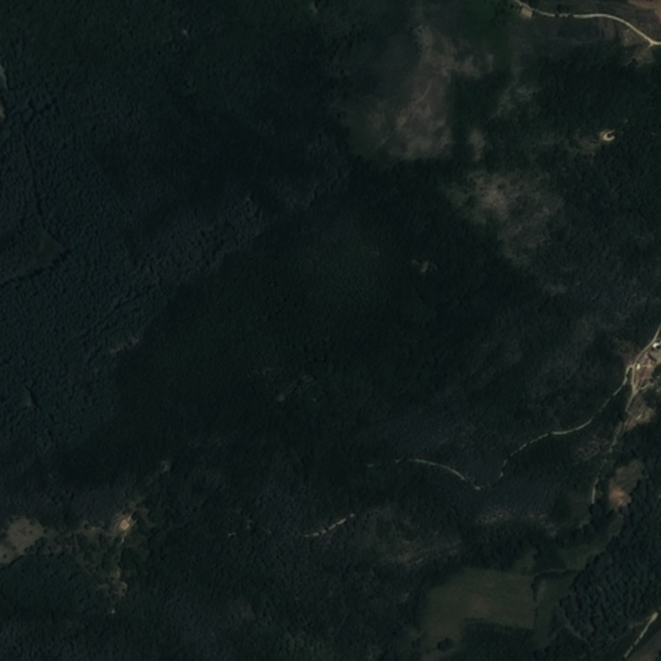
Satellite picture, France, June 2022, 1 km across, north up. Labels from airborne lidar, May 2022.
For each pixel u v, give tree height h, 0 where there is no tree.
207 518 20
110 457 16
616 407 8
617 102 14
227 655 13
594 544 0
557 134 7
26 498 17
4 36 16
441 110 0
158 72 21
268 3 22
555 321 7
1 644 16
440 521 21
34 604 16
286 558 16
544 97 9
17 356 27
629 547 13
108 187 30
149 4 15
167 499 9
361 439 17
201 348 13
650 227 10
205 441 18
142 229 17
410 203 16
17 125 15
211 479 15
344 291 14
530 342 11
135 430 15
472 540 9
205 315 19
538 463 13
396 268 14
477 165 6
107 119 20
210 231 7
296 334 23
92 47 22
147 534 9
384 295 17
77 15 26
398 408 10
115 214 28
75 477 21
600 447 6
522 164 9
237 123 22
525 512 11
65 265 27
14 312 26
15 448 18
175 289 20
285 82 16
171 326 18
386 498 13
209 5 20
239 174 20
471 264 14
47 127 28
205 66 16
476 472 12
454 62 0
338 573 16
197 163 20
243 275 19
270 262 20
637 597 10
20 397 28
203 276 17
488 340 9
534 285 11
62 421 30
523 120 10
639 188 15
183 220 23
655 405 8
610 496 0
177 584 23
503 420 10
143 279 19
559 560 12
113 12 23
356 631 11
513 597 0
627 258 11
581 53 7
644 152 14
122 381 18
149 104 20
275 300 21
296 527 13
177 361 11
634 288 11
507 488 13
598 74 15
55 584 20
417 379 8
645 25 0
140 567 16
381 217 21
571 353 7
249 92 14
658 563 9
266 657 13
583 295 12
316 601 11
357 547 7
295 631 12
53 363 29
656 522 11
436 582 10
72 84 20
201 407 14
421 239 20
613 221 13
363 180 16
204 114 20
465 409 14
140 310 28
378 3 0
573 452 15
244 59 21
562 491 6
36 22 22
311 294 13
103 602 18
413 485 17
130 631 17
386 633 9
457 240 20
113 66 20
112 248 29
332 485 9
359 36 8
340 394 16
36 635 13
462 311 20
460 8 0
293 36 17
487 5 0
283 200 22
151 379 15
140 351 14
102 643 16
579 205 14
